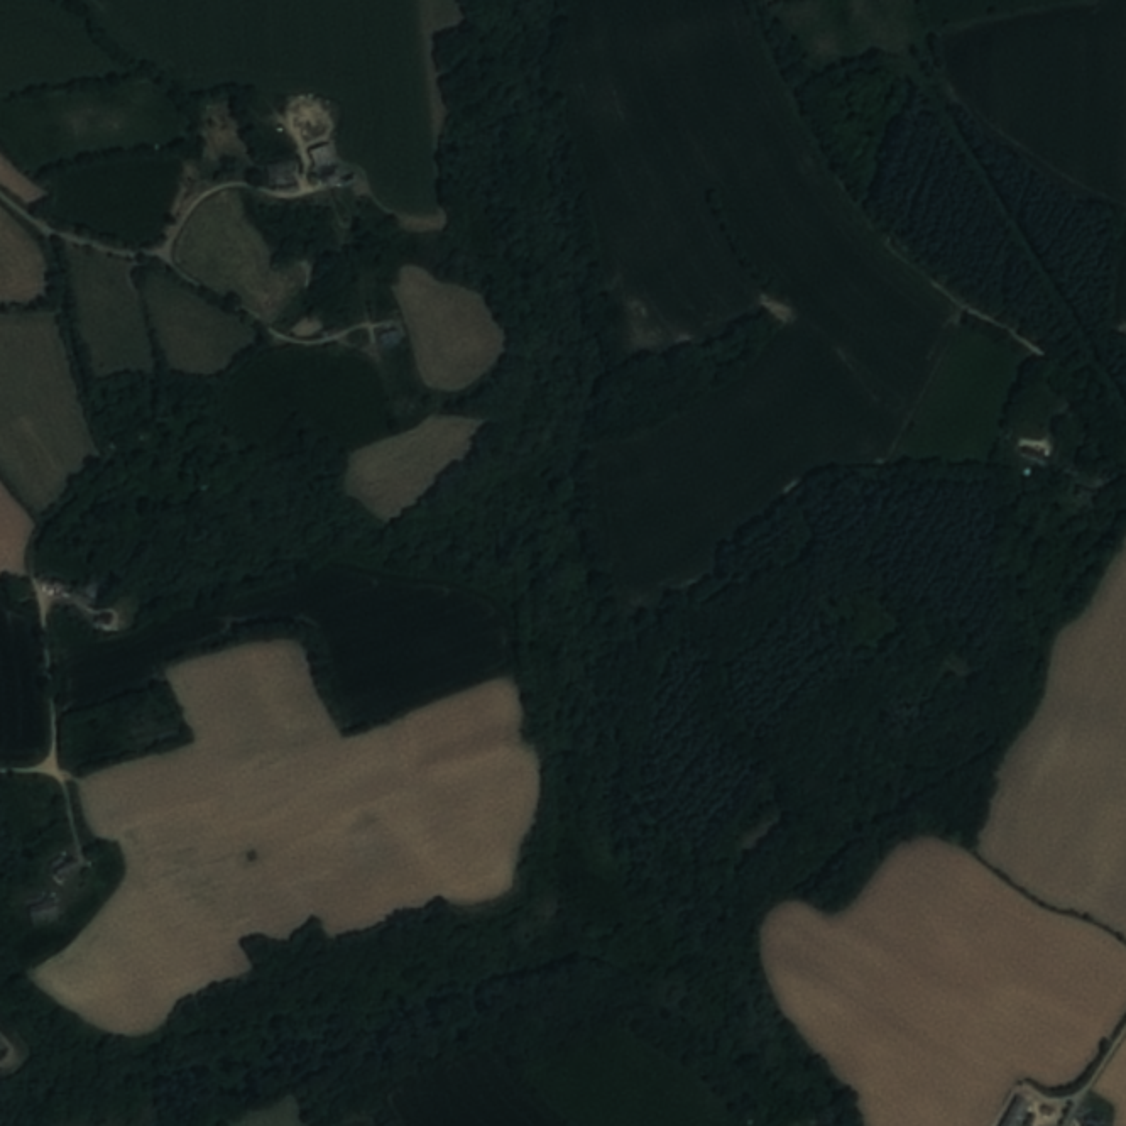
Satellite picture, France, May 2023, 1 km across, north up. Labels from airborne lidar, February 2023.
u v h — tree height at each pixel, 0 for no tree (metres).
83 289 0
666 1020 25
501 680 0
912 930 0
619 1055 0
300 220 9
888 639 12
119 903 0
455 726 0
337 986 19
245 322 9
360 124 0
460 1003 21
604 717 16
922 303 0
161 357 11
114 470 11
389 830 0
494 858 0
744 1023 20
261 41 0
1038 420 0
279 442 0
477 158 8
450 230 8
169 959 0
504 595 8
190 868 0
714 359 7
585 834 6
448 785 0
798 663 19
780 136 0
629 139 0
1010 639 15
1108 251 19
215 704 0
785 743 14
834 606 15
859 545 24
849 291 0
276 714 0
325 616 0
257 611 0
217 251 0
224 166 17
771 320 12
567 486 17
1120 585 0
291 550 6
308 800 0
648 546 0
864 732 12
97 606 7
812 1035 0
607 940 12
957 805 16
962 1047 0
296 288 0
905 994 0
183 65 0
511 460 12
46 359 0
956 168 29
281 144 0
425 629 0
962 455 0
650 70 0
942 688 12
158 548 9
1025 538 16
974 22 0
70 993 0
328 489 18
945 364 0
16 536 0
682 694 19
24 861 19
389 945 25
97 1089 8
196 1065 7
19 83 0
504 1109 0
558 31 18
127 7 0
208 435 9
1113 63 0
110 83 12
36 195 0
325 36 0
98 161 9
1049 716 0
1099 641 0
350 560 0
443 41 15
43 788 0
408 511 7
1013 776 0
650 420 13
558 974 21
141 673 0
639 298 0
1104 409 16
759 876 17
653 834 20
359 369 0
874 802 20
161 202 0
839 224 0
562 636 9
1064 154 0
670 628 17
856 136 12
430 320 0
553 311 14
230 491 8
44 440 0
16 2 0
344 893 0
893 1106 0
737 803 24
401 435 0
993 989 0
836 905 14
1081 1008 0
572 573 6
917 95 19
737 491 0
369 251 6
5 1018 7
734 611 17
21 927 0
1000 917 0
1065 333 17
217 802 0
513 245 24
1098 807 0
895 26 0
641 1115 0
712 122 0
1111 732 0
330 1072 18
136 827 0
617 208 0
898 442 0
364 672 0
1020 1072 0
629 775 20
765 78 0
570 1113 0
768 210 0
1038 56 0
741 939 13
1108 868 0
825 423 0
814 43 0
